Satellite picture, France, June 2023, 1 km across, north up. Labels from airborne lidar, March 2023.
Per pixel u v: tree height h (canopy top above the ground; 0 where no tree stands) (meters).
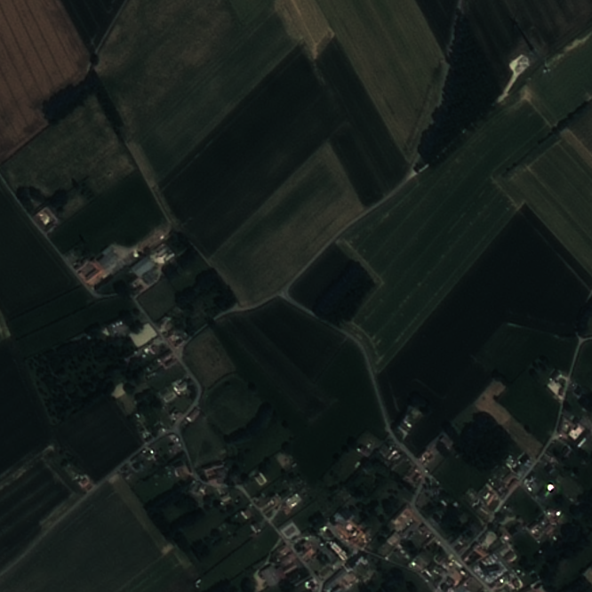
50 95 0
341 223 0
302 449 0
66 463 6
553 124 0
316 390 0
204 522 0
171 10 0
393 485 0
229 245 0
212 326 12
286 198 0
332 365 0
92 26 0
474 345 0
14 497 0
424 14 0
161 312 0
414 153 0
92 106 0
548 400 0
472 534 8
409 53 0
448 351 0
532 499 0
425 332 0
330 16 0
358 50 0
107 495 0
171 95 0
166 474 0
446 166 0
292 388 0
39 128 0
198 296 5
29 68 0
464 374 0
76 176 0
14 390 0
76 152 0
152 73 0
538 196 0
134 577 0
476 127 0
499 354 0
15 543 0
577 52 0
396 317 0
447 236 0
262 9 0
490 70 25
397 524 0
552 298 0
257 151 0
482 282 0
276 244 0
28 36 0
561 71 0
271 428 0
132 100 0
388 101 0
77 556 0
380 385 0
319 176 0
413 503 0
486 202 0
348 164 0
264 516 0
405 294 0
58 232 0
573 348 0
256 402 0
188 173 0
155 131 0
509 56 0
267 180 0
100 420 0
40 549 0
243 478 12
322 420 0
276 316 0
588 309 17
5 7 0
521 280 0
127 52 0
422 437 0
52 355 7
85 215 0
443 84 0
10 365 0
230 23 0
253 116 0
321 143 0
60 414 7
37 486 0
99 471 0
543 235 0
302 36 0
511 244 0
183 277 0
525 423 0
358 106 0
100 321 0
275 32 0
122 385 0
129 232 0
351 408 0
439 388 0
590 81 0
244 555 0
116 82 0
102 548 0
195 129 0
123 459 0
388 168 0
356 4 0
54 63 0
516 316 0
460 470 0
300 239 0
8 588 0
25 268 0
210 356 0
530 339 0
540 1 0
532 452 0
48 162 0
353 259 0
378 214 0
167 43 0
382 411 0
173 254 0
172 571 0
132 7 0
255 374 0
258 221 0
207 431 0
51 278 0
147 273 0
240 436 17
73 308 0
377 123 0
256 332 0
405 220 0
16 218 0
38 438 0
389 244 0
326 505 0
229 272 0
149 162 0
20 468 0
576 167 0
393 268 0
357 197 0
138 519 0
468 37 23
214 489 0
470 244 0
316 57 0
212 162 0
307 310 0
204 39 0
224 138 0
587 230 0
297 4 0
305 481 0
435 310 0
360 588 0
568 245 0
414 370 0
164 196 0
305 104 0
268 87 0
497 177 0
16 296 0
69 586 0
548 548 20
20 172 0
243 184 0
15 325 0
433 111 0
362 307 0
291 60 0
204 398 0
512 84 0
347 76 0
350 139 0
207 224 0
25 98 0
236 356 0
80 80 0
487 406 0
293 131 0
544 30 0
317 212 0
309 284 0
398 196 0
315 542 0
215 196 0
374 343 0
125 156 0
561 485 0
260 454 0
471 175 0
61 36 0
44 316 0
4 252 0
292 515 0
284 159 0
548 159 0
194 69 0
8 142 0
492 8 0
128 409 0
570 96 0
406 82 0
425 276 0
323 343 0
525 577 0
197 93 0
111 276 9
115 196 0
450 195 0
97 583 0
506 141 0
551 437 0
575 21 0
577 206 0
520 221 0
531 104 0
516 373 0
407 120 0
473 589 0
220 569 0
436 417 0
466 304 0
